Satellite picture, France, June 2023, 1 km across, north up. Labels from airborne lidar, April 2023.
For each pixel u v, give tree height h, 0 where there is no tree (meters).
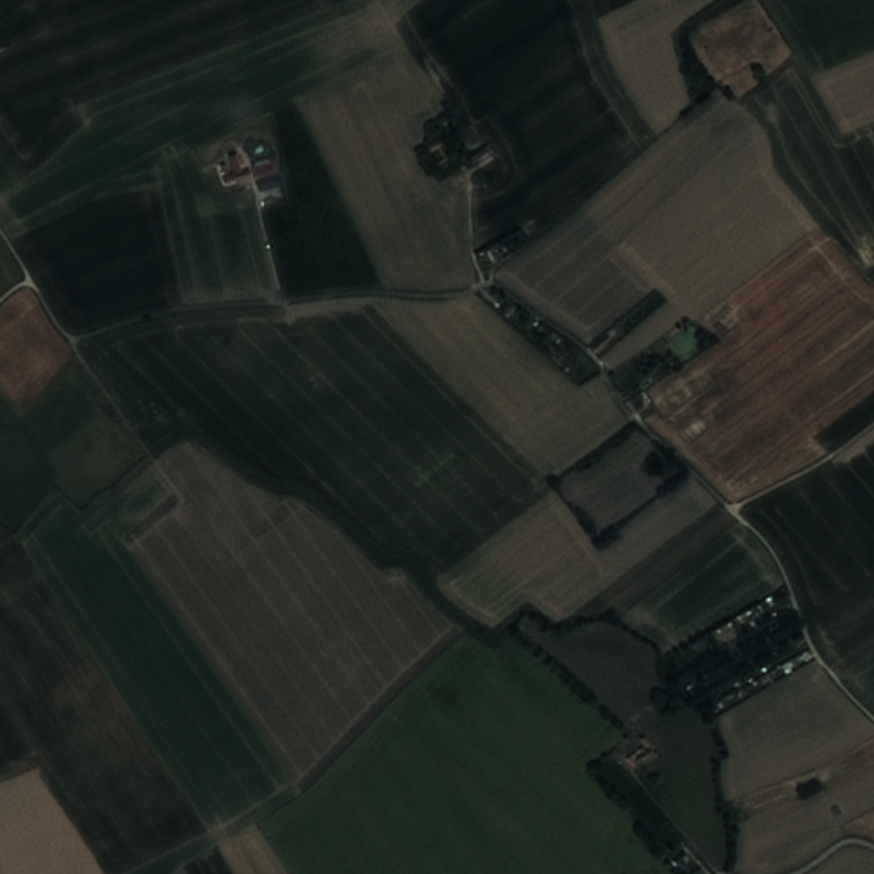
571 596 0
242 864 0
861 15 0
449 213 0
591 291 0
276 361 0
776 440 0
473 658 0
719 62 0
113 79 0
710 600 0
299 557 0
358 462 0
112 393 0
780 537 0
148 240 0
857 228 0
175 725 0
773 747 0
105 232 0
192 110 0
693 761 0
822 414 0
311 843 0
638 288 0
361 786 0
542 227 0
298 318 0
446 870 0
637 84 0
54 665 0
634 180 0
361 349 0
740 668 13
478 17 0
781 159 0
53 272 0
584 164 0
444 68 0
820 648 0
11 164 0
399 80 0
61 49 0
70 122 0
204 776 0
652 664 0
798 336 0
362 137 0
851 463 0
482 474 0
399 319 0
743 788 0
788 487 0
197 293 0
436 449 0
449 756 0
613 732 0
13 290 0
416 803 0
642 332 0
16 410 0
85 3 0
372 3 0
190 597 0
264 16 0
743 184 0
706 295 0
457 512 0
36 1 0
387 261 0
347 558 0
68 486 0
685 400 0
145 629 0
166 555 0
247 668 0
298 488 0
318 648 0
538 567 0
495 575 0
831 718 0
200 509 0
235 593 0
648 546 0
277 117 0
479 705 0
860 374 0
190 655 0
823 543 0
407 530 0
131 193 0
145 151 0
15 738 0
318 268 0
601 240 0
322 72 0
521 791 0
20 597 0
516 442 0
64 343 0
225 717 0
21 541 0
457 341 0
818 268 0
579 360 0
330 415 0
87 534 0
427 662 0
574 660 0
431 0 0
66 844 0
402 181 0
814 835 0
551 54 0
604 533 6
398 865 0
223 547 0
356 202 0
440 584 0
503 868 0
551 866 0
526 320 12
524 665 0
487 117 0
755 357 0
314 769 0
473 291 0
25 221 0
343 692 0
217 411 0
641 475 0
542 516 0
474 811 0
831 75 0
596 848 0
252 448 0
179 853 0
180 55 0
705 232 0
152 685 0
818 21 0
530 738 0
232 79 0
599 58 0
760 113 0
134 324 0
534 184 0
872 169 0
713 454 0
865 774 0
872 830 0
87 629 0
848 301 0
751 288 0
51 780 0
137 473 0
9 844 0
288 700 0
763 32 0
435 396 0
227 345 0
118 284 0
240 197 0
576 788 0
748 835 0
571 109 0
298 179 0
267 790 0
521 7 0
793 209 0
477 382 0
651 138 0
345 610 0
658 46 0
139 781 0
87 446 0
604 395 0
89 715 0
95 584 0
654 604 0
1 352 0
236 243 0
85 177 0
